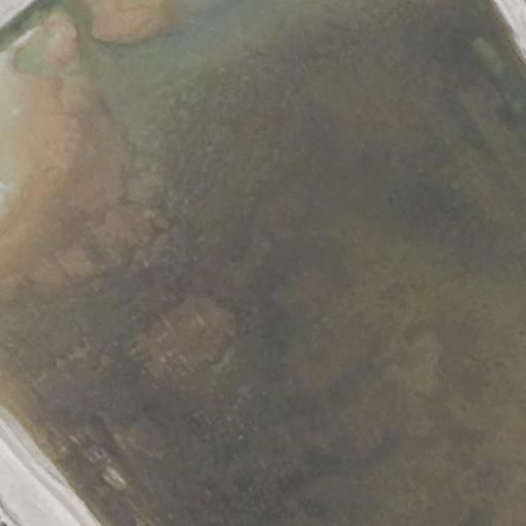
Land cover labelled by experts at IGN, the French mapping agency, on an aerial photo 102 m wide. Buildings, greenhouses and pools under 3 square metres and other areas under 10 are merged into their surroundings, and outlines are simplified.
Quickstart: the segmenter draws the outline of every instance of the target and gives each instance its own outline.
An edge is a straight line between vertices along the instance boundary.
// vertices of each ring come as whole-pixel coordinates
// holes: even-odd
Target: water
[[[510,25],[505,23],[503,14],[499,12],[493,0],[33,0],[10,23],[0,23],[0,415],[4,411],[12,413],[12,417],[23,425],[23,429],[31,436],[37,448],[55,464],[55,468],[64,475],[70,489],[84,501],[84,505],[101,526],[526,526],[526,60],[514,41]]]

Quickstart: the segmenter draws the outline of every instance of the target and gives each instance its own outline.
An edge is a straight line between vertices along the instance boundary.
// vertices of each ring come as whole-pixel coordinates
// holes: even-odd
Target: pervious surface
[[[493,0],[499,12],[503,14],[505,23],[510,25],[514,41],[526,60],[526,0]]]
[[[10,23],[33,0],[0,0],[0,23]]]
[[[12,413],[4,411],[0,415],[0,526],[101,526],[84,505],[84,501],[70,489],[64,475],[55,468],[55,464],[37,448],[31,436],[23,429],[23,425],[12,417]]]

